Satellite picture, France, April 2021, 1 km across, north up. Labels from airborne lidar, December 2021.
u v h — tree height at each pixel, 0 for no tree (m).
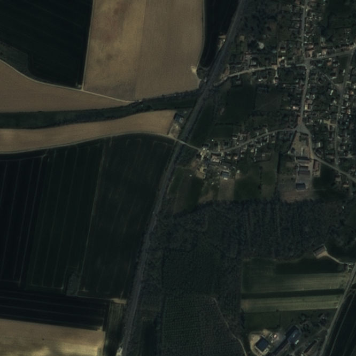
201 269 18
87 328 0
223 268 25
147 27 0
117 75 0
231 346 27
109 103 0
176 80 0
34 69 0
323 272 0
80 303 0
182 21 0
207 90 0
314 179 0
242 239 30
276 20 21
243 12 14
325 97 8
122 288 0
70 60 0
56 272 0
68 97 0
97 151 0
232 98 0
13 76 0
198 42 0
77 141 0
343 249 19
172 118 0
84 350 0
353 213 0
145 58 0
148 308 32
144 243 13
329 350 0
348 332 0
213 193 0
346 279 0
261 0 12
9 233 0
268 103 0
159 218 20
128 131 0
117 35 0
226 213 17
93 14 0
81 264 0
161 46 0
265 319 0
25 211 0
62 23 0
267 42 0
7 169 0
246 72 0
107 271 0
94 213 0
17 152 0
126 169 0
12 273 0
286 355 0
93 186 0
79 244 0
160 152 0
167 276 20
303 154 0
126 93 0
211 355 29
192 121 0
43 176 0
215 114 8
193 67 0
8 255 0
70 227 0
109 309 0
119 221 0
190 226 16
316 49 0
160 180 0
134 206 0
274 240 18
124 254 0
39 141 0
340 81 0
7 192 0
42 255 0
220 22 0
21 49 0
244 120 0
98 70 0
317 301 0
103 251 0
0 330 0
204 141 0
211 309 29
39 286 0
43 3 0
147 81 0
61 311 0
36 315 0
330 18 10
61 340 0
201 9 0
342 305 0
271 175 0
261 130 9
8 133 0
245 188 0
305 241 25
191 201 0
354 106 0
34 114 0
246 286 0
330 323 10
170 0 0
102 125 0
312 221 22
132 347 8
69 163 0
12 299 0
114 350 0
